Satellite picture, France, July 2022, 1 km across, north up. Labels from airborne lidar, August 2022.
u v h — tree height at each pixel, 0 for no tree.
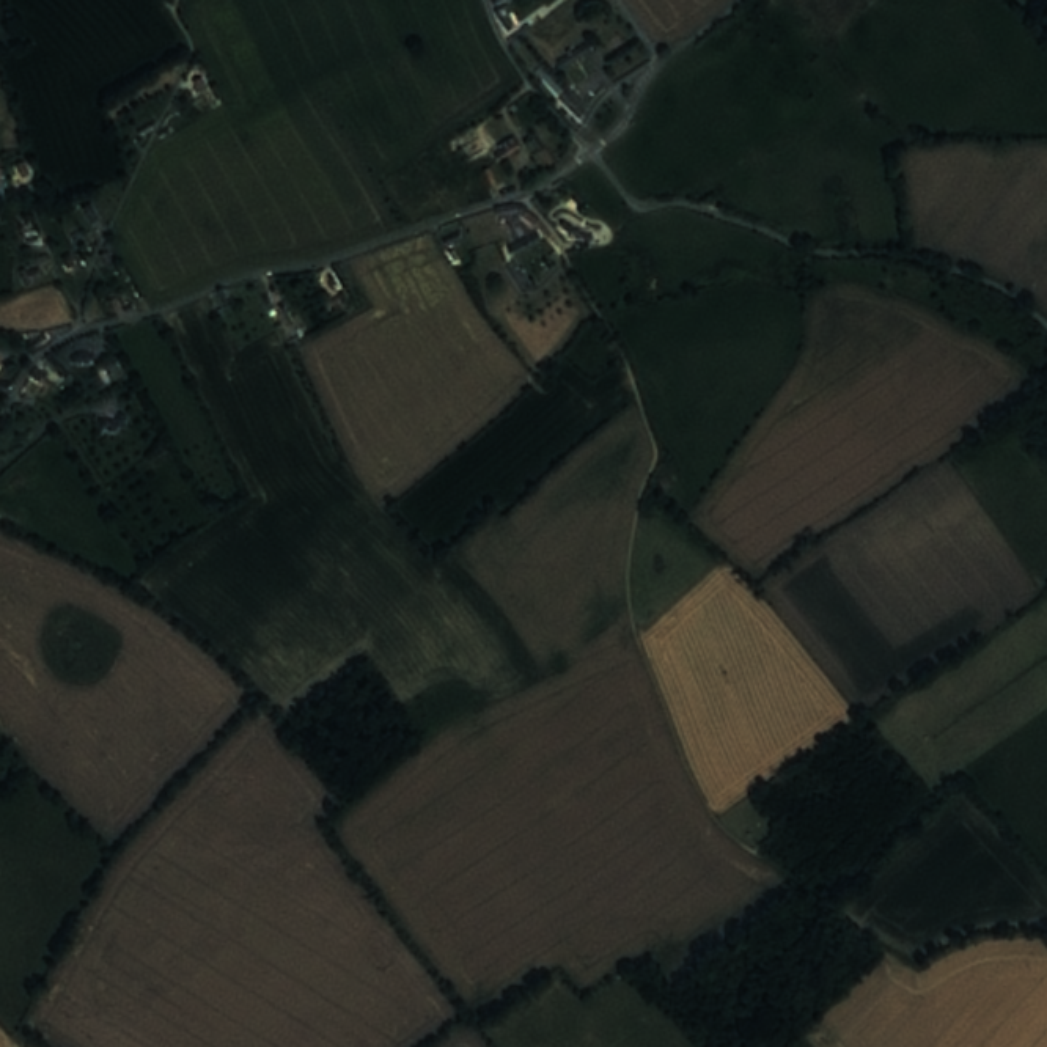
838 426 0
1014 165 0
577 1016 0
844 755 11
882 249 9
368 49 0
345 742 23
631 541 0
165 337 14
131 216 0
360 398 0
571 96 0
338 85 0
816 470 0
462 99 0
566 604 0
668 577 0
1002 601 0
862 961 20
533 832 0
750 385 0
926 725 0
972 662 0
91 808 0
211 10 0
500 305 0
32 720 0
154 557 10
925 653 0
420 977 0
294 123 0
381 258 0
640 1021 0
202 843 0
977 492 0
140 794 0
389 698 16
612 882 0
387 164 0
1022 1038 0
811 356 0
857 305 0
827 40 0
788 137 0
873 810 13
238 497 12
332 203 0
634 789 0
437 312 0
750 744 0
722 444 0
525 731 0
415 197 0
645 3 0
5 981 0
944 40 0
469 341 0
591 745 0
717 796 0
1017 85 0
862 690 0
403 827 0
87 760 0
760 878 0
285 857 0
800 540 14
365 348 0
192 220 0
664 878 0
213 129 0
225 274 0
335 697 19
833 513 0
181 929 0
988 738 0
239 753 0
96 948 0
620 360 11
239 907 0
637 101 0
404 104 0
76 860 0
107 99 18
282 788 0
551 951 0
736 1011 23
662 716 0
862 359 0
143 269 0
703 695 0
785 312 0
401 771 0
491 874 0
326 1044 0
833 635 0
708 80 0
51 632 0
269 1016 0
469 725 0
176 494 0
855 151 0
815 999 21
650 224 0
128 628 0
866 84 0
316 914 0
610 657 0
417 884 0
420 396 0
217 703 0
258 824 0
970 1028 0
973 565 0
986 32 0
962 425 0
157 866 0
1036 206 0
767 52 0
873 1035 0
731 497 0
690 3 0
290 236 0
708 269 0
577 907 0
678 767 0
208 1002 0
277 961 0
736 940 25
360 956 0
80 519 0
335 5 0
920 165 0
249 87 0
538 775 0
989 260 0
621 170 0
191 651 0
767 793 11
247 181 0
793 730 0
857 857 16
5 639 0
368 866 0
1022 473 0
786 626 0
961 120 0
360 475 0
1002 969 0
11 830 0
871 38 0
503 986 0
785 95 0
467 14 0
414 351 0
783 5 0
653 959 16
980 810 10
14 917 0
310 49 0
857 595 0
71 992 0
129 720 0
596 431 6
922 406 0
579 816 0
